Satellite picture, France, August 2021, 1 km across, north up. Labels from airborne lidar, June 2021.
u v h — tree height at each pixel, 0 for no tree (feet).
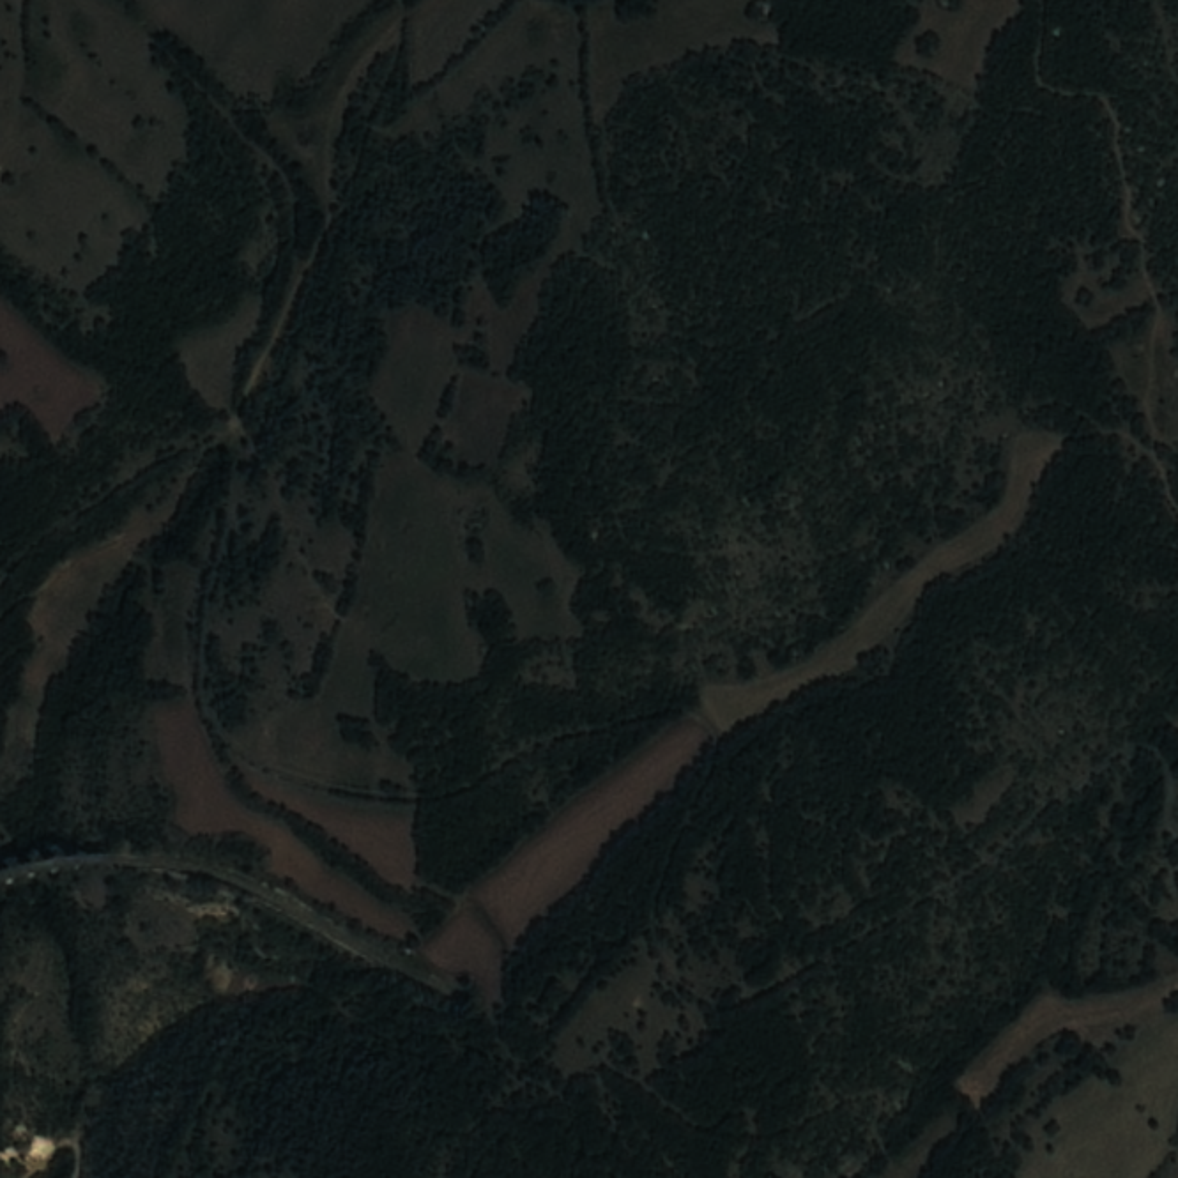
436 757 24
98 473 30
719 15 0
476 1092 33
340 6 0
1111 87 21
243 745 0
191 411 29
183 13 0
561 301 30
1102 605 24
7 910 29
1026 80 22
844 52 22
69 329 28
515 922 0
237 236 29
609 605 26
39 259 0
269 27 0
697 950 21
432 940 0
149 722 0
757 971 39
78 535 27
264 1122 27
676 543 29
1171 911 0
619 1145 44
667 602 30
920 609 20
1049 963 36
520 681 19
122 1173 21
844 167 24
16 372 0
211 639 25
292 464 23
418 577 0
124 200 0
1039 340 28
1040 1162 0
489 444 0
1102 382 26
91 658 40
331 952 26
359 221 32
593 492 25
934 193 22
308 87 20
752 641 25
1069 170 24
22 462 33
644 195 19
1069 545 23
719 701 0
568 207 30
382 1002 35
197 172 35
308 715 0
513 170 0
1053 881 19
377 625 0
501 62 0
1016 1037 0
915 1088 23
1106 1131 0
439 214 28
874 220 26
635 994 0
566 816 0
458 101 0
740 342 21
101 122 0
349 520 37
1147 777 37
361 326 25
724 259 18
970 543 0
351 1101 39
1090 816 20
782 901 25
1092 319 0
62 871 23
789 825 28
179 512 33
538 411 24
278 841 0
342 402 23
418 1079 29
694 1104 36
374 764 0
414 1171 20
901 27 22
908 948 18
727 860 31
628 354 18
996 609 23
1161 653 22
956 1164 37
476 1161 23
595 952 23
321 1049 37
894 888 24
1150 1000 0
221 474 42
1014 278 19
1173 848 31
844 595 21
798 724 23
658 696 27
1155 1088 0
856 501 20
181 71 27
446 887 33
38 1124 19
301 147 0
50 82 0
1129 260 24
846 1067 25
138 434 21
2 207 0
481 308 0
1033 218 18
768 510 23
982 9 0
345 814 0
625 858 29
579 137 0
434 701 31
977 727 22
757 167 28
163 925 0
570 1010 31
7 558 33
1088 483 18
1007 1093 28
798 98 22
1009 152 18
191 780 0
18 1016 0
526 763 27
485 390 0
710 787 28
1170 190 21
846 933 22
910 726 21
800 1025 26
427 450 34
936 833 27
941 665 23
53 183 0
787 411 23
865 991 20
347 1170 37
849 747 24
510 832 26
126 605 37
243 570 32
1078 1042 37
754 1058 37
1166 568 27
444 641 0
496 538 0
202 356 0
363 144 24
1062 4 21
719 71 36
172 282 43
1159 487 22
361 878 23
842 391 21
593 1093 38
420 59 0
